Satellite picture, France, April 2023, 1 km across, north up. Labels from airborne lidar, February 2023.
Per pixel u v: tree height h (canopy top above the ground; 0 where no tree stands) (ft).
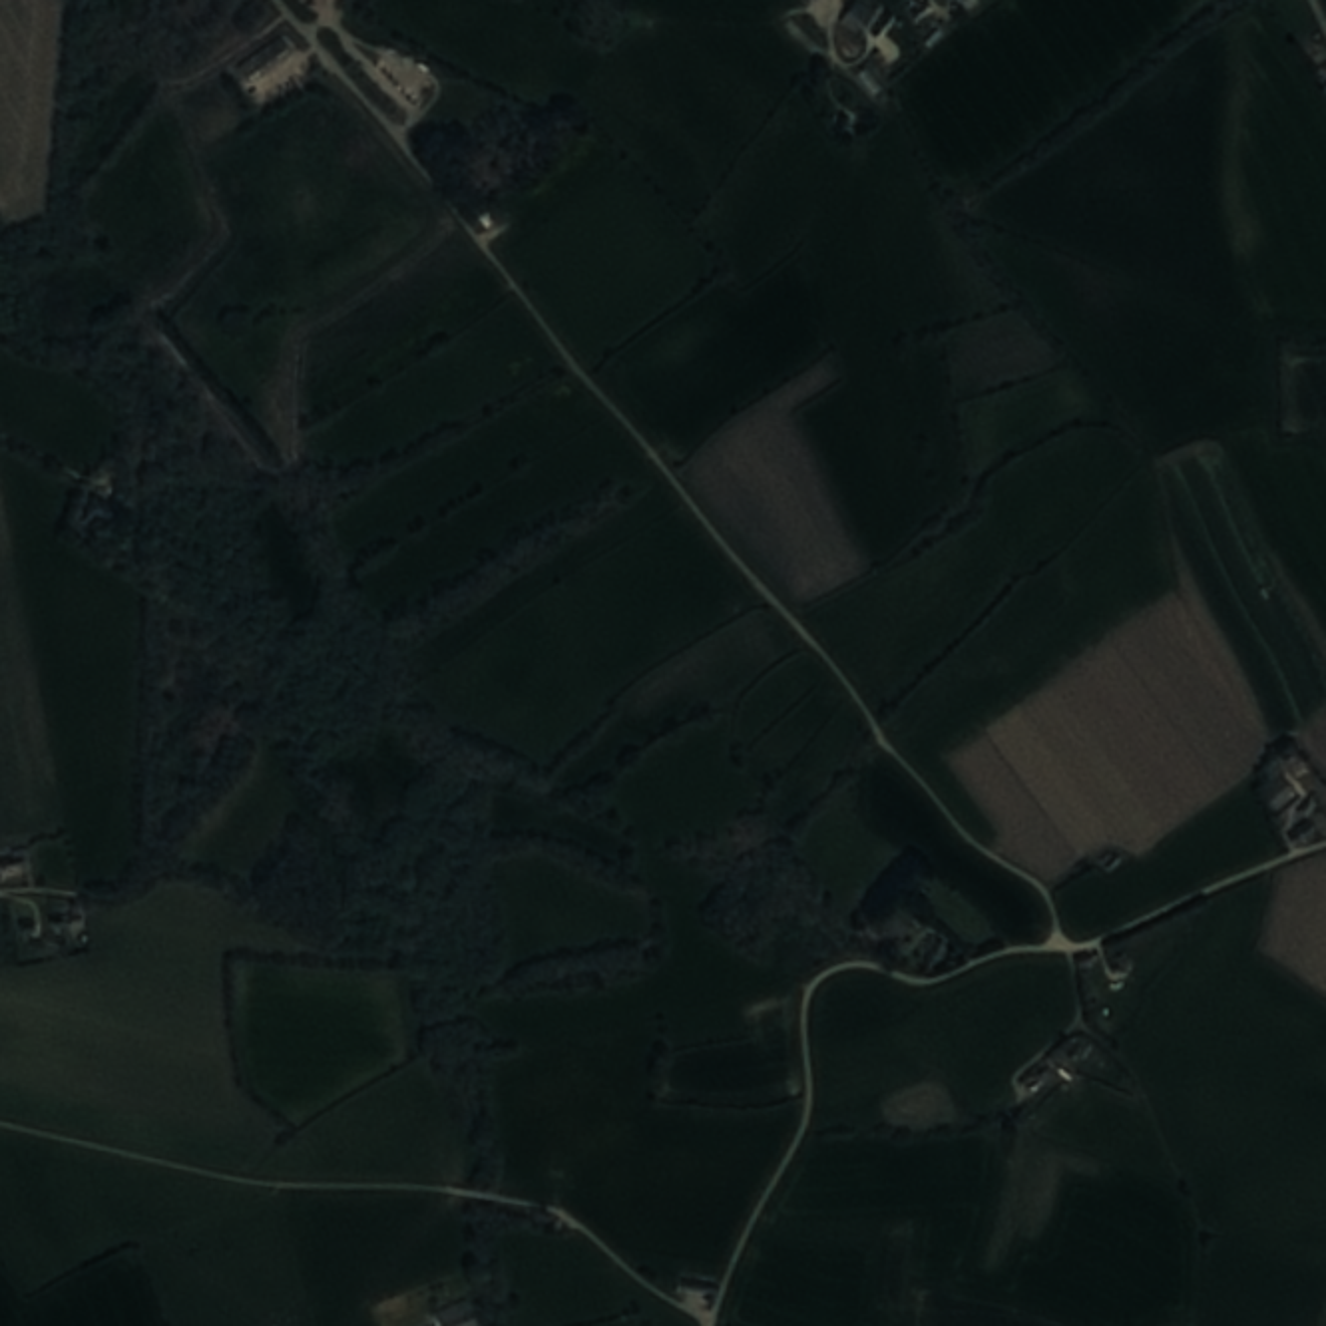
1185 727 0
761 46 0
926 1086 0
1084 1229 0
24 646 0
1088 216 0
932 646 0
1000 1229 0
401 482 0
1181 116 0
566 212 0
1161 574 0
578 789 20
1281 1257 0
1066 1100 0
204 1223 0
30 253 31
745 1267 0
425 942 22
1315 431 0
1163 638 0
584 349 0
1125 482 0
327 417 28
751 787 0
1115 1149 0
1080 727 0
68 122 41
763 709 0
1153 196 0
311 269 0
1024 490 0
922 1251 0
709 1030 0
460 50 0
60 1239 0
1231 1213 0
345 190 0
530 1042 0
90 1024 0
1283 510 0
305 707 33
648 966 31
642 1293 0
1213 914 0
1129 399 0
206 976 0
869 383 0
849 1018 0
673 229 0
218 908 0
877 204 0
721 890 32
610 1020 0
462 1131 0
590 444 0
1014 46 0
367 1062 0
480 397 0
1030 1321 0
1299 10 0
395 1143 0
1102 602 0
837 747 0
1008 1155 0
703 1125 0
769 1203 0
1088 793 0
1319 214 0
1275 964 0
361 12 26
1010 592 19
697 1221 0
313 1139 0
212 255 0
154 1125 0
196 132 0
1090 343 0
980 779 0
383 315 0
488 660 0
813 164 0
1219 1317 0
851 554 0
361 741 29
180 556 24
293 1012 0
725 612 0
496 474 0
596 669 0
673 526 0
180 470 41
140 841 38
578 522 19
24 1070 0
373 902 29
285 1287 0
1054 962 0
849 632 0
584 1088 0
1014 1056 0
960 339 0
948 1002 0
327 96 23
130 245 0
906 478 0
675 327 0
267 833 0
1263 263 0
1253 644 0
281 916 52
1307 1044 0
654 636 0
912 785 0
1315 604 0
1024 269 0
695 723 36
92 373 23
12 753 0
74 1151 0
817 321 0
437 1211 0
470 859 33
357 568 26
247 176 0
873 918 50
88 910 20
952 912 0
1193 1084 0
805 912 58
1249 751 0
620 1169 0
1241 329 0
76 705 0
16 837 0
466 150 63
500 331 0
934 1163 0
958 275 0
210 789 44
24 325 36
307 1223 0
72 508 30
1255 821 0
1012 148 0
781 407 0
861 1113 0
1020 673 0
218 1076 0
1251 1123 0
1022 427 0
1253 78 0
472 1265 47
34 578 0
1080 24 0
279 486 21
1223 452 0
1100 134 0
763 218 0
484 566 33
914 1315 0
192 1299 0
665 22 0
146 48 43
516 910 0
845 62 0
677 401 0
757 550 0
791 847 31
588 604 0
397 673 53
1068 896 0
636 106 0
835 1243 0
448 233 0
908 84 0
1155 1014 0
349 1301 0
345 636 35
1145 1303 0
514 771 41
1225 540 0
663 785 0
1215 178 0
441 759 36
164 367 33
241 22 47
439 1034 34
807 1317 0
